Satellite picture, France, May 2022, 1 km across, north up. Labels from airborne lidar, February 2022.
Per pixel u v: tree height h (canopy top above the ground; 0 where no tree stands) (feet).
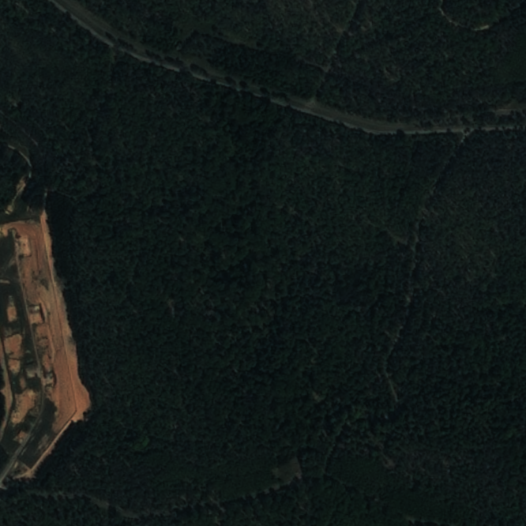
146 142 88
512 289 93
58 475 54
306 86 77
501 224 72
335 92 46
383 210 89
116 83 96
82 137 90
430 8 61
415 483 29
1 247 0
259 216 111
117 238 93
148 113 87
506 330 76
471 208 95
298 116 82
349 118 0
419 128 37
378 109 72
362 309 87
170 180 80
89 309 85
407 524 73
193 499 56
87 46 70
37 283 0
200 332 106
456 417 86
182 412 77
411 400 93
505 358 86
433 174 82
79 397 0
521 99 48
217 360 96
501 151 81
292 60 40
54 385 0
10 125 62
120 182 89
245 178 97
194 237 106
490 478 62
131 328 99
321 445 29
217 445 77
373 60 71
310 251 32
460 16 42
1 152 67
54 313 0
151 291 95
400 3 80
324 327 77
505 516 55
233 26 96
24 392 0
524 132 79
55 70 57
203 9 89
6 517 89
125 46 71
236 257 104
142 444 72
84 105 57
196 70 59
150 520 52
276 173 86
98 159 89
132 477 57
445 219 80
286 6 80
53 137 62
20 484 74
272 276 109
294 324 81
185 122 77
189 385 86
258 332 85
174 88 81
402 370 86
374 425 106
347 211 79
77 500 77
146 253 94
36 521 82
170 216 84
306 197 69
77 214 82
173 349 86
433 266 87
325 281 36
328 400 73
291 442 93
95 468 62
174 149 86
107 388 79
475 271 79
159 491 55
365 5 24
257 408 87
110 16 82
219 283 106
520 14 34
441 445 80
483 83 66
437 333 82
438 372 95
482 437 93
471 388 94
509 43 72
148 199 77
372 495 0
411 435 84
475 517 24
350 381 90
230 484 57
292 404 94
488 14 76
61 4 0
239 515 98
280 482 38
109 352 81
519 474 68
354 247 19
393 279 75
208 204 102
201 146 91
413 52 90
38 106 62
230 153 36
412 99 48
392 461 70
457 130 0
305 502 102
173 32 86
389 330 74
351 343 69
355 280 39
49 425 0
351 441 89
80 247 89
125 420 88
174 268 108
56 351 0
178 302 94
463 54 88
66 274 26
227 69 80
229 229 53
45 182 65
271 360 95
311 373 95
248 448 84
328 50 74
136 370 81
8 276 0
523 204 95
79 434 19
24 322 0
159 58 62
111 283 87
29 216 0
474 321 89
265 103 81
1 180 108
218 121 75
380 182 71
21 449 0
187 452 80
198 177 92
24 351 0
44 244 0
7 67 57
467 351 86
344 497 91
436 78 79
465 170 93
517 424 96
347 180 70
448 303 85
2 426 0
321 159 89
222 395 95
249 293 98
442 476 70
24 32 60
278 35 92
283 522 96
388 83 64
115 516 88
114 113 76
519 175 90
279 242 98
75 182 85
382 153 76
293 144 88
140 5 43
